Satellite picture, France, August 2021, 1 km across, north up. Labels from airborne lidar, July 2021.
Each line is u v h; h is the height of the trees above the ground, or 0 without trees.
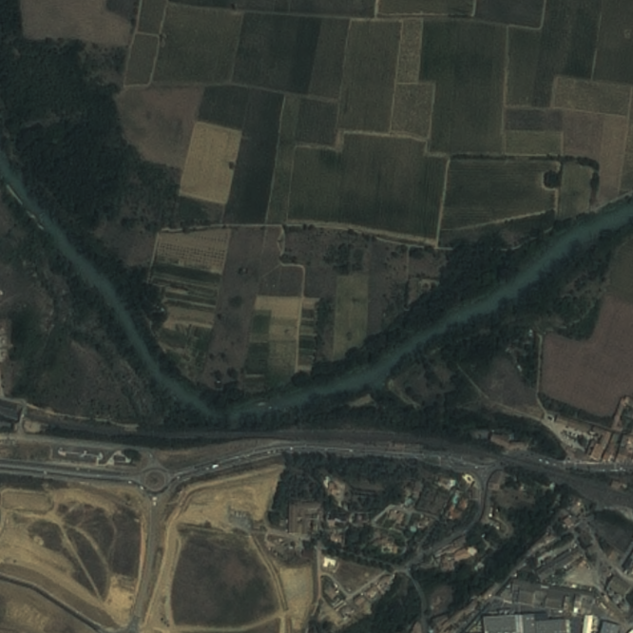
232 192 0
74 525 0
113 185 22
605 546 14
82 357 0
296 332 0
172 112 0
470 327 14
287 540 0
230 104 0
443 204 0
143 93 0
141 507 0
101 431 0
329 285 0
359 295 0
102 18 0
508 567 18
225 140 0
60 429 11
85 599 0
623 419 7
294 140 0
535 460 0
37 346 5
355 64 0
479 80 0
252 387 0
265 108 0
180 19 0
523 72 0
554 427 0
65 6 0
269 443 0
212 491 0
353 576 0
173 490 0
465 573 16
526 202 0
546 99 0
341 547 7
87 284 13
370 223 0
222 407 23
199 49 0
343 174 0
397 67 0
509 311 12
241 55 0
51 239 19
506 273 25
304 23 0
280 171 0
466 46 0
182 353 0
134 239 0
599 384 0
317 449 0
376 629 14
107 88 9
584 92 0
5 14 13
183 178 0
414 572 10
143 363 19
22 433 0
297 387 20
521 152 0
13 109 8
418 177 0
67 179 23
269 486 0
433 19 0
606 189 0
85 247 22
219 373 10
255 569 0
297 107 0
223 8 0
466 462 0
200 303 0
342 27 0
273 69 0
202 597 0
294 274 0
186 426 14
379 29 0
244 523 0
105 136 18
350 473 11
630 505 0
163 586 0
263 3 0
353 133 0
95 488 0
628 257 0
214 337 0
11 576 0
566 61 0
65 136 10
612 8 0
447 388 16
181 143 0
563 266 24
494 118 0
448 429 17
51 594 0
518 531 10
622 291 0
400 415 18
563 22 0
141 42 0
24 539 0
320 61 0
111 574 0
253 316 0
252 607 0
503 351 6
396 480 13
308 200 0
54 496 0
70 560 0
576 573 0
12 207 10
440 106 0
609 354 0
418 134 0
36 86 8
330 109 0
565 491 17
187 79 0
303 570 0
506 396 0
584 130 0
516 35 0
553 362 0
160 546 0
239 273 7
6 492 0
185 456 0
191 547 0
